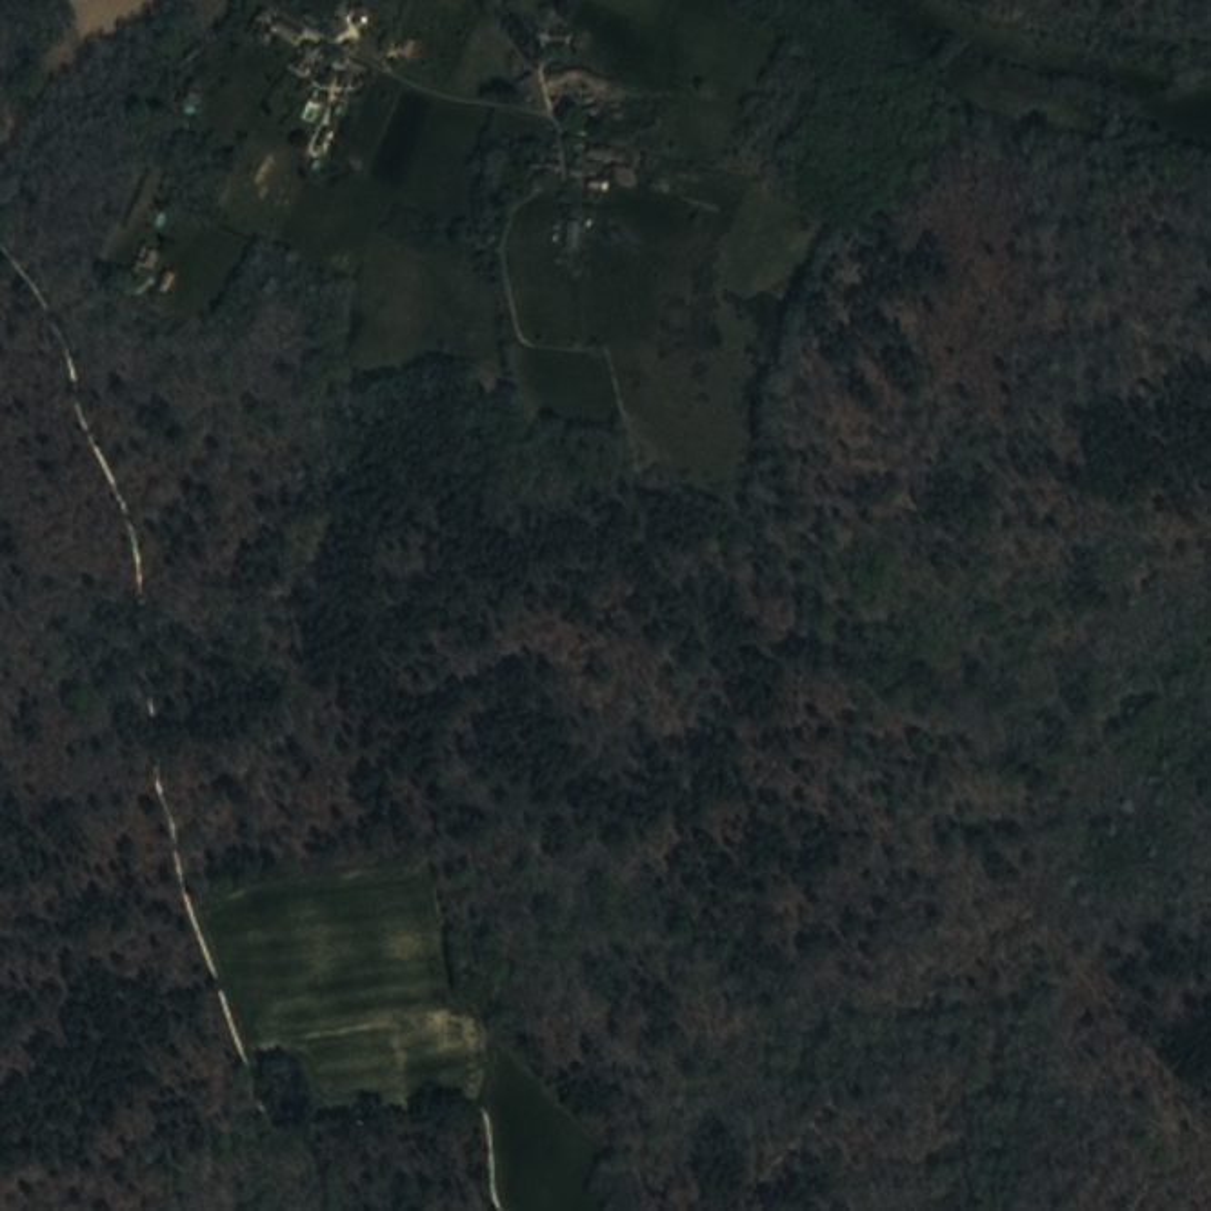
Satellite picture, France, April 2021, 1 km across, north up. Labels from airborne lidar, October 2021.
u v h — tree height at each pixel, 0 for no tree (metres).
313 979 0
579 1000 21
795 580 18
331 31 10
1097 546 18
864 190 20
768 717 26
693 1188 13
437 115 0
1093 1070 18
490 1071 0
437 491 26
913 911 10
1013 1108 25
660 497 8
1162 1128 19
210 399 13
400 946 0
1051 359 13
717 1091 18
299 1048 0
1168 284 16
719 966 16
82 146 17
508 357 13
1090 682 20
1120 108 21
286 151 0
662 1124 15
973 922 18
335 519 27
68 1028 17
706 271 5
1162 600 22
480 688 12
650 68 0
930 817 20
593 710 13
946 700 23
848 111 18
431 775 25
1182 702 23
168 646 23
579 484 17
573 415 0
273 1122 11
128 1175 18
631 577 28
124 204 12
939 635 21
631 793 16
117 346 20
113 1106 14
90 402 17
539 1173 0
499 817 11
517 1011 11
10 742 8
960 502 24
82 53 0
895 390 0
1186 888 12
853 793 20
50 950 27
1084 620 25
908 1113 18
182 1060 19
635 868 15
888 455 16
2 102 18
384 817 18
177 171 16
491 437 17
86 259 14
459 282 0
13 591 15
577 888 19
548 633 8
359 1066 0
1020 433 10
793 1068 25
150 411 13
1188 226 18
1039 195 18
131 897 20
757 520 19
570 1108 19
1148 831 16
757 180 8
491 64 0
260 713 25
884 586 22
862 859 9
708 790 22
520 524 12
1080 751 19
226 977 0
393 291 0
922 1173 19
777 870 24
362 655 22
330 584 18
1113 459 27
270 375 14
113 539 10
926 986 13
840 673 19
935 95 23
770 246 0
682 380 0
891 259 0
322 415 18
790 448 19
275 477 12
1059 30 13
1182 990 23
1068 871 17
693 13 0
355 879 0
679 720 13
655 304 0
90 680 13
